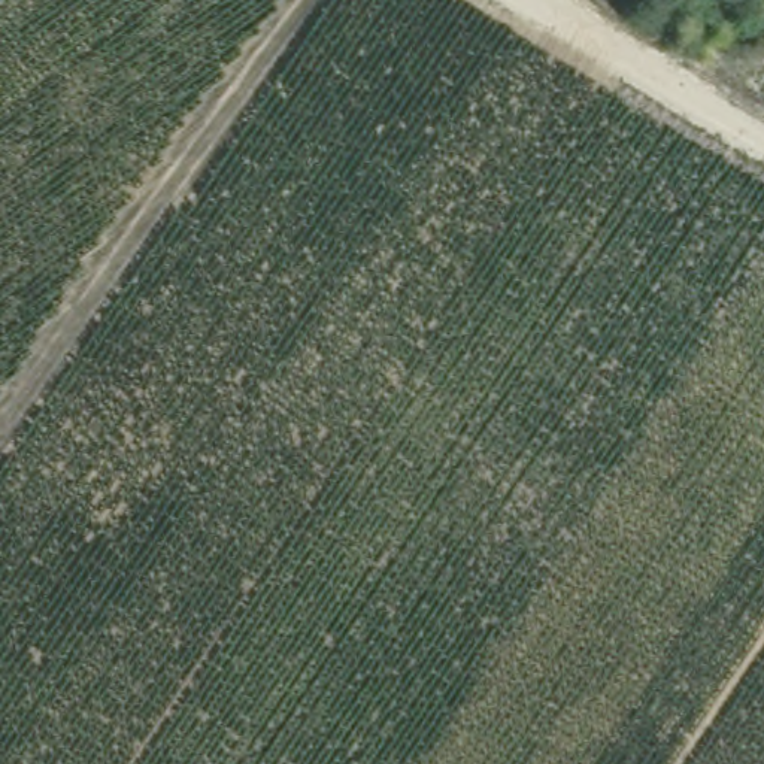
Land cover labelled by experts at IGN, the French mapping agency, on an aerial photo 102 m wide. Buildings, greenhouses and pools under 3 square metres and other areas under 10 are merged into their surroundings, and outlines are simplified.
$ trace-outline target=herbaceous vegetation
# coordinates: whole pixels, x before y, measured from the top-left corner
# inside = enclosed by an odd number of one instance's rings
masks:
[[[719,54],[710,84],[719,90],[719,96],[728,98],[728,104],[743,107],[749,116],[764,122],[764,57],[755,48],[749,48],[743,57]]]

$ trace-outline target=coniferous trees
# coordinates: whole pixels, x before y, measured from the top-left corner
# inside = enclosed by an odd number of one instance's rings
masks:
[[[677,57],[683,69],[710,84],[719,54],[743,57],[749,48],[755,48],[764,57],[764,0],[594,0],[603,15],[621,21],[636,39]]]

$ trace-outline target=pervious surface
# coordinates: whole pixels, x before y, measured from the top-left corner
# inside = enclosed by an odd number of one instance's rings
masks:
[[[621,21],[603,15],[594,0],[498,0],[513,12],[513,21],[507,27],[522,39],[534,42],[540,33],[549,33],[567,42],[570,48],[591,57],[609,75],[624,78],[627,84],[639,87],[674,113],[683,113],[689,122],[722,134],[728,146],[737,146],[746,155],[764,161],[764,122],[749,116],[743,107],[728,104],[728,98],[719,96],[719,90],[710,84],[683,69],[677,57],[636,39]]]

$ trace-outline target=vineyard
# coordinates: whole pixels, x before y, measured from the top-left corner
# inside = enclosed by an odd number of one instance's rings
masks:
[[[498,0],[0,0],[0,764],[764,764],[764,161],[746,155],[737,146],[728,146],[722,134],[689,122],[683,113],[674,113],[639,87],[627,84],[624,78],[609,75],[591,57],[570,48],[567,42],[549,33],[540,33],[534,42],[522,39],[507,27],[513,21],[513,12]]]

